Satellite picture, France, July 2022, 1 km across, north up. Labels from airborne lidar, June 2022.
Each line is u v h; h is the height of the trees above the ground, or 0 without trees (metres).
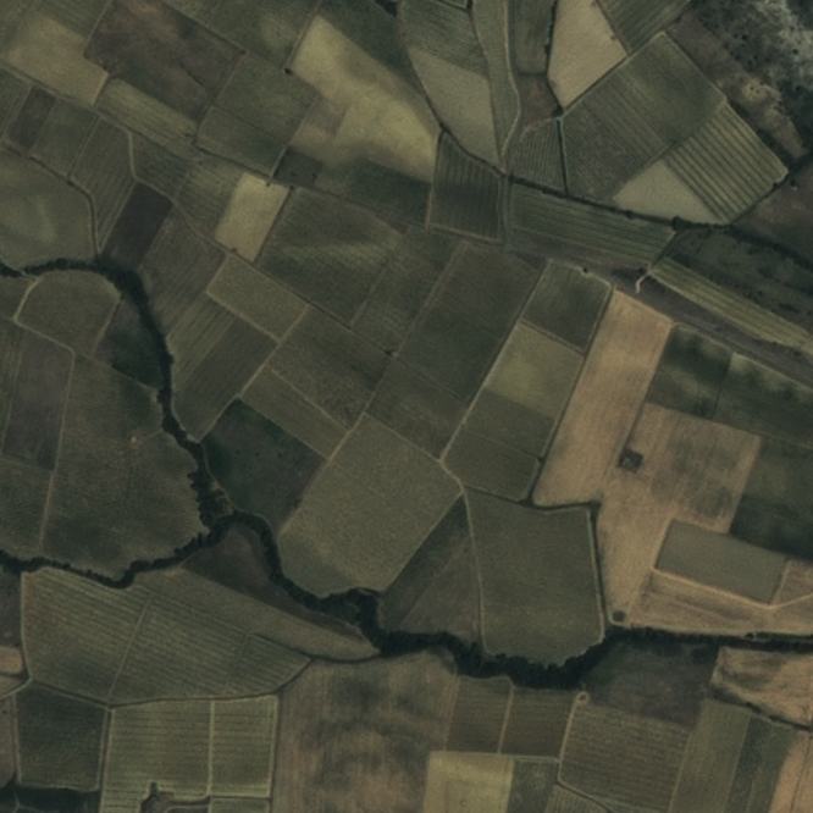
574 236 0
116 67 0
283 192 0
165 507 0
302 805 0
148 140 0
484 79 0
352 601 12
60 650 0
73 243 0
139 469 0
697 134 0
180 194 0
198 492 13
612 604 0
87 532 0
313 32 0
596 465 0
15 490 0
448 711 0
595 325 0
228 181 0
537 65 0
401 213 0
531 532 0
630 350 0
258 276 0
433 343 0
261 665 0
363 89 0
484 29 0
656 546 0
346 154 0
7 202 0
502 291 0
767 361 0
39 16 0
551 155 0
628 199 0
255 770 0
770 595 0
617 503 0
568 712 0
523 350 0
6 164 0
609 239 0
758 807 0
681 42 0
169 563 10
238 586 0
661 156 0
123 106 0
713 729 0
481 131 0
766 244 7
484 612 0
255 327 0
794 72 0
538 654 0
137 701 0
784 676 0
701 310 0
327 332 0
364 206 0
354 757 0
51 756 0
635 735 0
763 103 0
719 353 0
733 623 0
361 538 0
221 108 0
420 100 0
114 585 8
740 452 0
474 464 0
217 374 0
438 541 0
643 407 0
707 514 0
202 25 0
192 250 0
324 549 0
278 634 0
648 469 0
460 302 0
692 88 0
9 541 0
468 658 16
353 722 0
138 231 0
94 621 0
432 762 0
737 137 0
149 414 0
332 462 0
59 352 0
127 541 0
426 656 0
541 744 0
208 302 0
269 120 0
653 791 0
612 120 0
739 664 0
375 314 0
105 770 0
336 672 0
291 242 0
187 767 0
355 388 0
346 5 0
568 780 0
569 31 0
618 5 0
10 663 0
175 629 0
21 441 0
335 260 0
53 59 0
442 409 0
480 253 0
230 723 0
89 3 0
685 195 0
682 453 0
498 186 0
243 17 0
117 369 6
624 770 0
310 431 0
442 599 0
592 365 0
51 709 0
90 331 0
